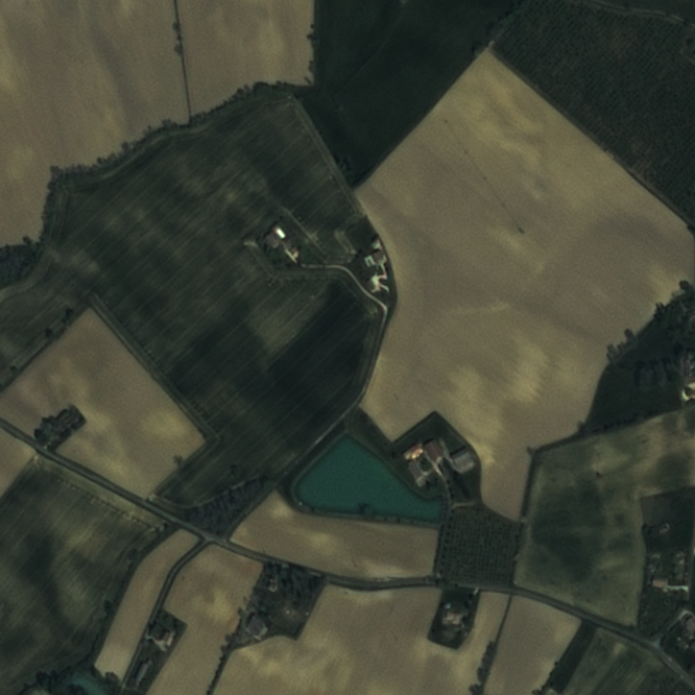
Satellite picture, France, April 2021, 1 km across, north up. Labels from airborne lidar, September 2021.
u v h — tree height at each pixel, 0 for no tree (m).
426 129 0
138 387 0
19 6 0
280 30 0
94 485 0
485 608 0
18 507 0
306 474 0
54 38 0
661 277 0
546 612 0
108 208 0
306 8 0
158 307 0
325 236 0
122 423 0
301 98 12
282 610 0
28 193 0
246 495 14
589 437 16
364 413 0
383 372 0
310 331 0
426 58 0
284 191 0
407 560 0
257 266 0
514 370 0
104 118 0
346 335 0
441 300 0
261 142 0
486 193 0
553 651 0
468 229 0
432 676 0
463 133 0
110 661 0
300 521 0
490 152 0
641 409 0
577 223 0
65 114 0
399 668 0
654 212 0
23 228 0
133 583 0
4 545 0
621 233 0
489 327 0
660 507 0
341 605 0
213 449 0
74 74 0
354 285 0
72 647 0
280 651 0
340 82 0
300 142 0
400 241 0
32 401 0
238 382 0
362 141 0
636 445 0
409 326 0
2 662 0
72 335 0
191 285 0
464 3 0
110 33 0
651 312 0
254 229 0
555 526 0
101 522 0
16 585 0
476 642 0
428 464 8
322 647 0
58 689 17
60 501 0
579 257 0
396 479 0
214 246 0
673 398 0
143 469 0
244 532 0
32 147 0
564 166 0
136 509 0
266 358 0
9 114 0
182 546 0
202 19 0
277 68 0
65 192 0
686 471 0
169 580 0
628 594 0
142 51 0
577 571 0
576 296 0
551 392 0
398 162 0
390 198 0
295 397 0
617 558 0
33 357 0
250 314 0
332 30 0
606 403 0
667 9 0
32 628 0
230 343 0
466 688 0
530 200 0
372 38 0
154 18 0
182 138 0
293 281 0
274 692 0
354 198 0
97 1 0
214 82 0
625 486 0
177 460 10
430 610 0
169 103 0
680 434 0
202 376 0
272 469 0
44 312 0
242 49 0
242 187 0
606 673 0
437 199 0
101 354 0
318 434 0
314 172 0
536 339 0
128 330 0
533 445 0
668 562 0
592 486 0
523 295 0
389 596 0
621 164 0
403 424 0
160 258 0
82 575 0
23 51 0
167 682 0
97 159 0
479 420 0
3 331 0
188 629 0
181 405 0
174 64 0
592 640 0
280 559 0
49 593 0
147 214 0
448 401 0
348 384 0
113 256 0
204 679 0
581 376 0
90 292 0
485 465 0
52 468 0
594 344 0
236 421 0
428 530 0
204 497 0
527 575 0
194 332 0
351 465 0
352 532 0
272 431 0
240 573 0
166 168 0
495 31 16
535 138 0
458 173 0
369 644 0
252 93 14
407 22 0
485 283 0
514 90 0
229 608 0
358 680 0
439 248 0
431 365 0
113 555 0
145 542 0
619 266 0
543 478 0
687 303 11
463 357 0
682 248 0
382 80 0
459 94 0
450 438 0
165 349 0
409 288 0
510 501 0
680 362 7
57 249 0
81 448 0
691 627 0
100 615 0
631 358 0
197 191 0
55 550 0
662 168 5
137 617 0
